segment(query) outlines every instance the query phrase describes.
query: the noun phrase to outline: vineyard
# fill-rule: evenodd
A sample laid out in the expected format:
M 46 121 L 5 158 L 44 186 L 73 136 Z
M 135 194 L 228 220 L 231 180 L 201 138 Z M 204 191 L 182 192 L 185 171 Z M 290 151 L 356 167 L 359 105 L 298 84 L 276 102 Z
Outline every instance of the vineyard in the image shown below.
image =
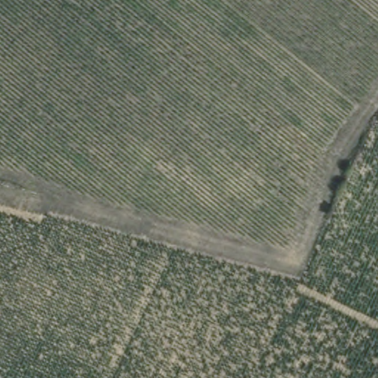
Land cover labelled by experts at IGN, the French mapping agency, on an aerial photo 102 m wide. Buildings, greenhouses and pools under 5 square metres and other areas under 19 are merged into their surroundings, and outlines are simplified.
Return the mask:
M 0 0 L 0 378 L 378 378 L 378 0 Z

